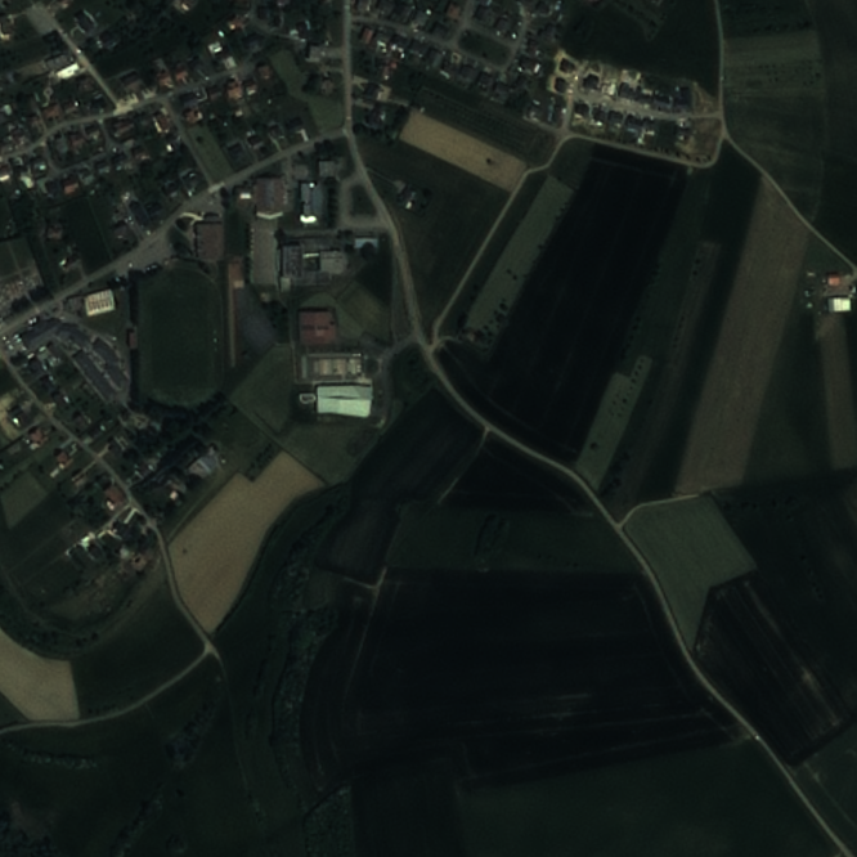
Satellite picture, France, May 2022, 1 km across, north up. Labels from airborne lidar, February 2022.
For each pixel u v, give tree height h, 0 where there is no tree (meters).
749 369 0
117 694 0
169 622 0
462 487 0
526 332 0
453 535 0
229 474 0
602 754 0
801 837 0
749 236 0
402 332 0
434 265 0
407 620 0
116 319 0
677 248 0
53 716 0
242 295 0
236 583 0
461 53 0
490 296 0
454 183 0
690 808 0
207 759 0
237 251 0
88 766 6
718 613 0
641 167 0
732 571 0
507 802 0
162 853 0
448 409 0
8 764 0
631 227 0
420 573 0
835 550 0
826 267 0
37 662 0
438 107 0
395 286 0
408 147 0
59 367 0
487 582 0
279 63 0
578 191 0
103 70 0
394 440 0
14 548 0
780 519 0
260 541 0
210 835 0
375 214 0
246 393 0
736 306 0
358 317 0
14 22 0
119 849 7
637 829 0
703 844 0
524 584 0
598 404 0
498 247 0
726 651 0
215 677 0
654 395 0
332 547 0
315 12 10
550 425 0
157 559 0
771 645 0
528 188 0
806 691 0
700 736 0
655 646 0
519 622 0
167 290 0
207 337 0
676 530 0
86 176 0
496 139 0
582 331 0
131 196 0
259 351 0
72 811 0
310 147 0
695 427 0
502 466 0
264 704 0
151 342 0
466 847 0
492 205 0
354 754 0
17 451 0
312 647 9
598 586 0
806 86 0
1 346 0
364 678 0
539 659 0
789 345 0
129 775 0
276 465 0
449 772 0
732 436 0
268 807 0
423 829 0
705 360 0
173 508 12
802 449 0
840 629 0
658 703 0
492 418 0
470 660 0
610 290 0
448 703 0
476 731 0
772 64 0
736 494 0
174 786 0
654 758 0
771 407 0
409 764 0
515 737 0
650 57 0
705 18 0
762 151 0
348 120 0
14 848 26
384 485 0
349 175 0
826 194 0
